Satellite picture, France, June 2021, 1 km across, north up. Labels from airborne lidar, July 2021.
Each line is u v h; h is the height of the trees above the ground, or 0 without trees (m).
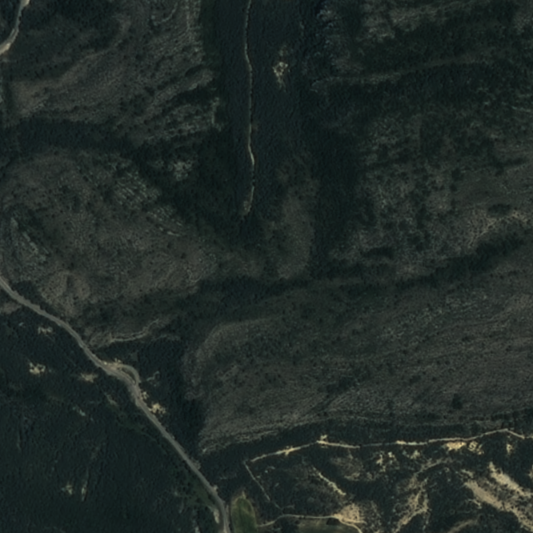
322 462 7
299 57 8
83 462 10
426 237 6
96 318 6
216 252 0
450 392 0
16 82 0
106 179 0
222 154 8
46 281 0
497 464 7
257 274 0
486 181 0
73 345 8
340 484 7
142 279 0
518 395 0
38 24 8
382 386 0
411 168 0
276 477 5
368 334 0
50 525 6
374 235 0
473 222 0
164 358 11
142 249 0
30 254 0
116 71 0
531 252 0
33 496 8
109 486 8
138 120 0
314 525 0
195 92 7
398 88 8
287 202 0
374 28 0
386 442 6
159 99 0
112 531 7
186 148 7
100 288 0
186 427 11
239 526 0
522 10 0
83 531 11
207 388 0
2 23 0
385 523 6
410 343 0
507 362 0
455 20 7
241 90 7
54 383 5
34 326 7
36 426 6
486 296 0
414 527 6
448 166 0
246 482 6
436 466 7
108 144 7
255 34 12
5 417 10
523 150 0
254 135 7
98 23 7
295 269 0
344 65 0
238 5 9
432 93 7
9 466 10
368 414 6
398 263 0
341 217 6
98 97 0
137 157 6
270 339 6
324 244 7
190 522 7
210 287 7
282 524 8
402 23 0
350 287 7
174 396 7
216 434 0
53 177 0
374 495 7
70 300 0
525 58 6
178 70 0
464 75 6
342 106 8
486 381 0
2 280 0
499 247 6
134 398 0
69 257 0
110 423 8
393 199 0
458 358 0
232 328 0
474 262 8
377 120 0
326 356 0
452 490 6
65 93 0
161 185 6
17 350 6
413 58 9
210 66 9
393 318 0
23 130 7
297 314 0
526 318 0
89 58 0
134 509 9
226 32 11
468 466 6
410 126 0
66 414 6
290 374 0
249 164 8
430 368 0
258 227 9
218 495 7
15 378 8
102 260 0
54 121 8
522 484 8
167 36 0
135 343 9
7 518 8
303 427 8
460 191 0
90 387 11
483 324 0
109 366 0
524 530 6
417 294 0
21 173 0
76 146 9
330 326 0
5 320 11
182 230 0
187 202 7
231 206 7
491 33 6
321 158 8
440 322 0
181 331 8
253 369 0
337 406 0
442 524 8
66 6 8
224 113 8
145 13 0
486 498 0
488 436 6
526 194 0
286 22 9
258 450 7
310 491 6
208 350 0
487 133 0
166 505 7
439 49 7
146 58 0
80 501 6
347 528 0
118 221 0
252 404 0
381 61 6
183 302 8
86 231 0
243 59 7
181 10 0
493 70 6
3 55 0
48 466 8
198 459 8
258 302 9
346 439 6
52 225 0
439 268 8
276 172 6
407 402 0
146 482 8
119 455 9
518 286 0
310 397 0
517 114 0
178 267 0
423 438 6
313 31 7
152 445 11
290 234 0
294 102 9
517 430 7
